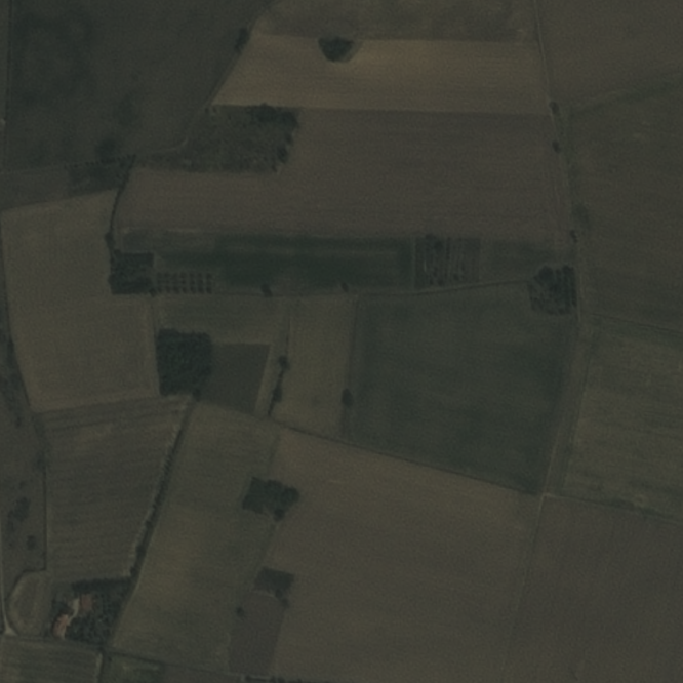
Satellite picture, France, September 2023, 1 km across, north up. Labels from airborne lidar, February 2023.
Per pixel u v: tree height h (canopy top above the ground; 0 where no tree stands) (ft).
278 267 0
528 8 0
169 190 0
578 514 0
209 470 0
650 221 0
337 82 0
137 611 0
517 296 0
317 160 0
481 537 0
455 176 0
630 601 0
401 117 0
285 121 34
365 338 0
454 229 0
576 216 0
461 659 0
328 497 0
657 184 0
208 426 0
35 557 0
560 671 0
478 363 0
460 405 0
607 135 0
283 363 37
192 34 0
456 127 0
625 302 0
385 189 0
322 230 0
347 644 0
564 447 0
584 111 0
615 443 0
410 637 0
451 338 0
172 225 0
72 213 0
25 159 0
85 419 0
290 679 0
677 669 0
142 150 0
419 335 0
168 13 0
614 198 0
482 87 0
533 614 0
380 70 0
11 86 0
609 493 0
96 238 0
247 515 0
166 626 0
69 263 0
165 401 0
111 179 0
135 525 0
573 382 0
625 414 0
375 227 0
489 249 0
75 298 0
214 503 0
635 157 0
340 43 34
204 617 0
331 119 0
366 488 0
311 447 0
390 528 0
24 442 0
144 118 0
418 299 0
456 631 0
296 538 0
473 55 0
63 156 0
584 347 0
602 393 0
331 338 0
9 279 0
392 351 0
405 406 0
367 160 0
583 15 0
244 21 0
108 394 0
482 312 0
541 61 0
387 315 0
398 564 0
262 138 0
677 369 0
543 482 0
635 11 0
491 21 0
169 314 0
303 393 0
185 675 0
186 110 0
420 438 0
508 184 0
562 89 0
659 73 0
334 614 0
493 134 0
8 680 0
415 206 0
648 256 0
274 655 0
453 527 0
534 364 0
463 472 0
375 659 0
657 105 0
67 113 0
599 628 0
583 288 0
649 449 0
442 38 0
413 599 0
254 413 0
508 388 0
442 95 0
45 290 0
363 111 0
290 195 0
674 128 0
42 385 0
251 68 0
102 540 0
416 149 0
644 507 0
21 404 0
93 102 0
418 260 0
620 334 0
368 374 0
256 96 0
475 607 0
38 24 0
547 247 0
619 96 0
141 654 0
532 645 0
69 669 0
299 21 0
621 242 0
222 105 0
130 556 0
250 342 0
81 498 0
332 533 0
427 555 0
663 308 0
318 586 0
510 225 0
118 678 0
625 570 0
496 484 0
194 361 26
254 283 0
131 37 0
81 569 0
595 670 0
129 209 0
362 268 0
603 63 0
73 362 0
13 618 0
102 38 0
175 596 0
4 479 0
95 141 0
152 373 0
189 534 0
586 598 0
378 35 0
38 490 0
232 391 0
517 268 0
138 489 0
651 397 0
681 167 0
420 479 0
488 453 0
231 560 0
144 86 0
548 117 0
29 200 0
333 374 0
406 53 0
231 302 0
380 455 0
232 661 0
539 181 0
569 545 0
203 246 0
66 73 0
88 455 0
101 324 0
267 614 0
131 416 0
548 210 0
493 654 0
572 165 0
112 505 0
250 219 0
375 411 0
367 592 0
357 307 0
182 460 0
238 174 0
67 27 0
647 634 0
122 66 0
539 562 0
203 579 0
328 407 0
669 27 0
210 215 0
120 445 0
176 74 0
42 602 0
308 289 0
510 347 0
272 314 0
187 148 0
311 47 0
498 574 0
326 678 0
